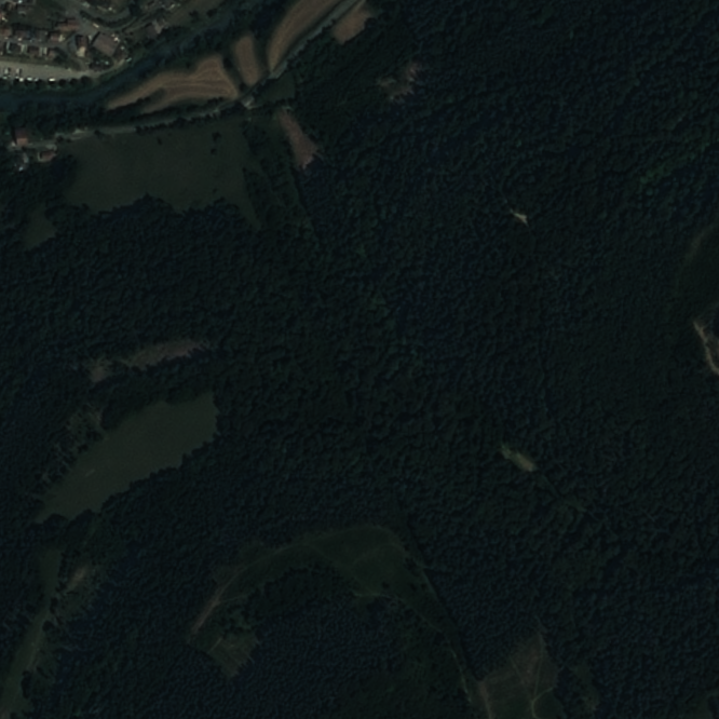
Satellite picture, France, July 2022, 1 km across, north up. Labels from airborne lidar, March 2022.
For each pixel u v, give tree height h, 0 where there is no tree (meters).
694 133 24
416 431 36
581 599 30
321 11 0
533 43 26
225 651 0
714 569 31
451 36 20
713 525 27
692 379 28
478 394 37
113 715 14
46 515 0
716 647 25
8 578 27
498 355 33
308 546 0
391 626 24
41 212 0
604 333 23
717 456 31
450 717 17
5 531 30
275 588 13
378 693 18
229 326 26
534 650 0
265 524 28
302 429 28
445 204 15
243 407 26
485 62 26
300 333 18
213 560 23
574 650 29
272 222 20
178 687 27
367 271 25
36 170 8
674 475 15
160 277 28
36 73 0
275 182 27
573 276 22
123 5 0
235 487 18
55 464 26
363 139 29
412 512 21
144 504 22
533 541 29
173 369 31
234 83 0
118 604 15
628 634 28
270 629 26
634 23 33
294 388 17
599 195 23
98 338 29
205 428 0
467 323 23
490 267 26
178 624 26
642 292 19
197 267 26
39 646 0
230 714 23
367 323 30
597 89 28
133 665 15
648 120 21
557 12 21
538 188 19
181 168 0
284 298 33
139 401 16
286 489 27
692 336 5
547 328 25
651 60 25
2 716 0
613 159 30
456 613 26
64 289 26
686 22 28
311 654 25
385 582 0
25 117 7
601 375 15
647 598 26
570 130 37
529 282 16
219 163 0
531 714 0
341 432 32
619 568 33
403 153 25
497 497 35
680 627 32
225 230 26
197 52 9
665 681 30
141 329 29
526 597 34
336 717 21
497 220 14
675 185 22
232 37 7
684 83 21
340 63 7
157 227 27
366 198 26
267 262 26
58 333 20
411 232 16
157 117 6
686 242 19
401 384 36
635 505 31
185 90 0
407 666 19
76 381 25
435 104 23
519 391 33
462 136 22
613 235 24
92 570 0
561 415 30
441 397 34
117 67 0
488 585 30
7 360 20
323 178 25
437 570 24
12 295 25
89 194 0
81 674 21
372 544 0
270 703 24
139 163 0
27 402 25
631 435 28
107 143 0
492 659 32
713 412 29
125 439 0
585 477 29
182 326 26
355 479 24
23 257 18
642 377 19
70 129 18
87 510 0
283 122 24
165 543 15
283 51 0
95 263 19
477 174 9
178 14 0
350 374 31
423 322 28
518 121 35
